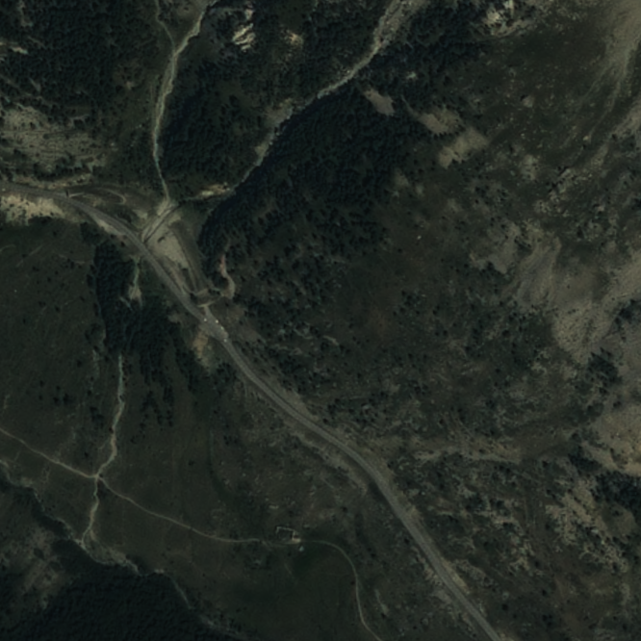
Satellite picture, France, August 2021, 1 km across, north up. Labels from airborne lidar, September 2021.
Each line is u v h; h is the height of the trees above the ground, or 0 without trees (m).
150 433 0
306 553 0
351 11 6
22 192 0
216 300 0
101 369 0
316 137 21
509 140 0
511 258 0
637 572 0
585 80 0
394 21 0
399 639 0
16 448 0
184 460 0
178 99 6
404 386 0
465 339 0
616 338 0
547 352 0
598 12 0
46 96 14
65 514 0
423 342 0
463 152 0
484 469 0
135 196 0
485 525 0
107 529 0
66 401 8
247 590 0
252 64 6
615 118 0
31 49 9
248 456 0
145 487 0
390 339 0
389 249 0
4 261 0
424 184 0
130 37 13
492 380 0
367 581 0
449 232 0
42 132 0
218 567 0
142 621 7
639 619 0
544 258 0
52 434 0
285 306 7
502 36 0
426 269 0
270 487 0
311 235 0
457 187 0
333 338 0
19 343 0
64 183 0
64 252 0
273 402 0
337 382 0
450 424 0
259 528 0
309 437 0
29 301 0
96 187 0
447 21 11
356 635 0
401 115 12
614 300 0
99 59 18
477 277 0
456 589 0
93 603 7
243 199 18
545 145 0
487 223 0
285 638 0
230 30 9
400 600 0
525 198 0
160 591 9
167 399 9
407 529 0
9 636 6
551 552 0
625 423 0
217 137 21
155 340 9
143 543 0
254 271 0
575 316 0
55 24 21
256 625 0
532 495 0
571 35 0
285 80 10
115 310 22
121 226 0
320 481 0
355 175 15
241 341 0
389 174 10
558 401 0
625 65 0
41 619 6
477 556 0
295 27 0
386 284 0
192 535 0
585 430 0
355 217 10
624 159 0
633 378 0
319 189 22
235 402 0
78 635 9
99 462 0
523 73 0
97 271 14
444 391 0
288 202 21
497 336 0
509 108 0
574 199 0
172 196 0
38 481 0
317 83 17
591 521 0
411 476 0
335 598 0
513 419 0
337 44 15
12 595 6
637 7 0
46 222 9
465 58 9
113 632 9
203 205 11
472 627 0
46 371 0
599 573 0
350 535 0
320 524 0
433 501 0
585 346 0
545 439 0
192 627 12
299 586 0
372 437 0
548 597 8
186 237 0
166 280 0
